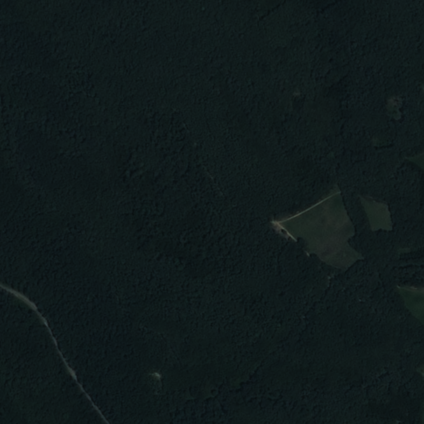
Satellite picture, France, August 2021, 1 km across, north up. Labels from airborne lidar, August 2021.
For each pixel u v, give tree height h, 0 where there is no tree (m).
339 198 0
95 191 18
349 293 20
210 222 17
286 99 14
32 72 13
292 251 19
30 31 13
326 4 12
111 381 19
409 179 18
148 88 21
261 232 18
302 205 10
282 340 15
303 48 20
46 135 18
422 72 13
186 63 25
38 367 24
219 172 19
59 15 18
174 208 17
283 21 18
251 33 16
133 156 20
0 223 18
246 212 13
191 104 18
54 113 19
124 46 24
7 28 20
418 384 20
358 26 17
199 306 19
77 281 17
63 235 22
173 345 22
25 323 24
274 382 17
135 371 18
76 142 24
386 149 19
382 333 17
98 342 21
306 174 7
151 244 20
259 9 17
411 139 19
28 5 12
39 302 18
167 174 22
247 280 18
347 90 18
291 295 20
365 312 19
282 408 22
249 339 20
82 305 20
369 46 20
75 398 22
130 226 17
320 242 0
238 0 15
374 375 20
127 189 9
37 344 25
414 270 22
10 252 26
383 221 0
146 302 17
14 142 19
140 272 21
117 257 20
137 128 22
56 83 15
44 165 16
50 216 16
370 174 21
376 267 16
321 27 23
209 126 16
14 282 23
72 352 17
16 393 18
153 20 19
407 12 18
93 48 20
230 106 13
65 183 17
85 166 16
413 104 21
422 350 19
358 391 22
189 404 26
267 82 17
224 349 15
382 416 8
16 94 20
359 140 20
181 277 19
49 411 21
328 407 22
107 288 15
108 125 25
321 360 15
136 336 17
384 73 13
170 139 23
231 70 16
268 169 13
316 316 25
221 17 18
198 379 12
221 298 20
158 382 10
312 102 17
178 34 22
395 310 15
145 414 13
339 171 23
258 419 16
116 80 20
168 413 22
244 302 14
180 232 8
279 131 9
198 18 17
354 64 19
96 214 20
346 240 0
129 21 25
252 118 17
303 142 18
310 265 20
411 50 18
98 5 17
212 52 18
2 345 21
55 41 13
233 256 19
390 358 20
